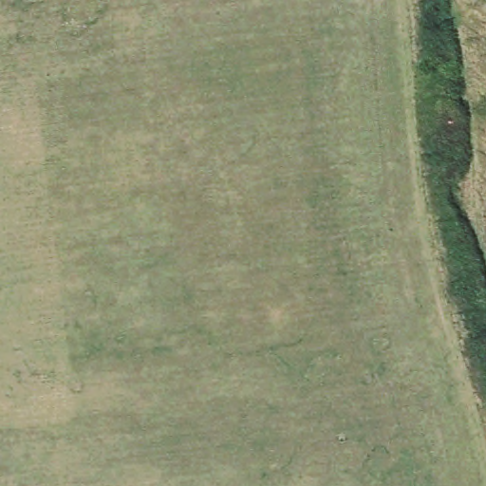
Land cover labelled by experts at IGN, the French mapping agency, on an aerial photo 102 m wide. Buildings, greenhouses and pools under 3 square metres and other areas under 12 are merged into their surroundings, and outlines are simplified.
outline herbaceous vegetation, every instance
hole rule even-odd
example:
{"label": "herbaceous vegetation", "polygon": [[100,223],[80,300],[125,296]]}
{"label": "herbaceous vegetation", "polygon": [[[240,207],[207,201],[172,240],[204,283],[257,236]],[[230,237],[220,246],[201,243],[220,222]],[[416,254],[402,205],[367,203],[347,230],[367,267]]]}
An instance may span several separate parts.
{"label": "herbaceous vegetation", "polygon": [[425,205],[425,199],[429,199],[429,186],[425,180],[427,167],[421,161],[414,80],[420,53],[420,0],[0,0],[0,486],[486,486],[486,408],[482,408],[482,399],[478,397],[469,378],[469,359],[463,357],[467,328],[463,323],[463,317],[459,315],[454,304],[446,302],[448,271],[442,266],[440,256],[446,252],[446,247],[440,237],[437,218],[431,213],[431,207]]}
{"label": "herbaceous vegetation", "polygon": [[471,112],[473,142],[473,161],[465,180],[459,184],[458,199],[477,232],[478,243],[486,258],[486,0],[452,0],[459,46],[463,53],[465,101],[469,103]]}

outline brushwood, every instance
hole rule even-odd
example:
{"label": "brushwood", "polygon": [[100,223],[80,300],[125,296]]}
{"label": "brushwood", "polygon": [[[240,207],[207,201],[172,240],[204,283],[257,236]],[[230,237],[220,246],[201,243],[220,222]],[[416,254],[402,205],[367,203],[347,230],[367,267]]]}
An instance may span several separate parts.
{"label": "brushwood", "polygon": [[437,218],[440,237],[446,247],[446,252],[440,256],[442,266],[448,271],[446,302],[454,304],[459,315],[463,317],[463,323],[467,328],[463,357],[469,359],[469,378],[478,397],[482,399],[482,408],[486,408],[486,258],[478,243],[477,232],[458,199],[459,184],[465,180],[473,161],[473,142],[471,112],[469,103],[465,101],[463,53],[459,46],[452,0],[420,0],[420,53],[414,80],[421,161],[427,167],[425,180],[429,186],[429,199],[425,199],[425,205],[431,207],[431,213]]}

